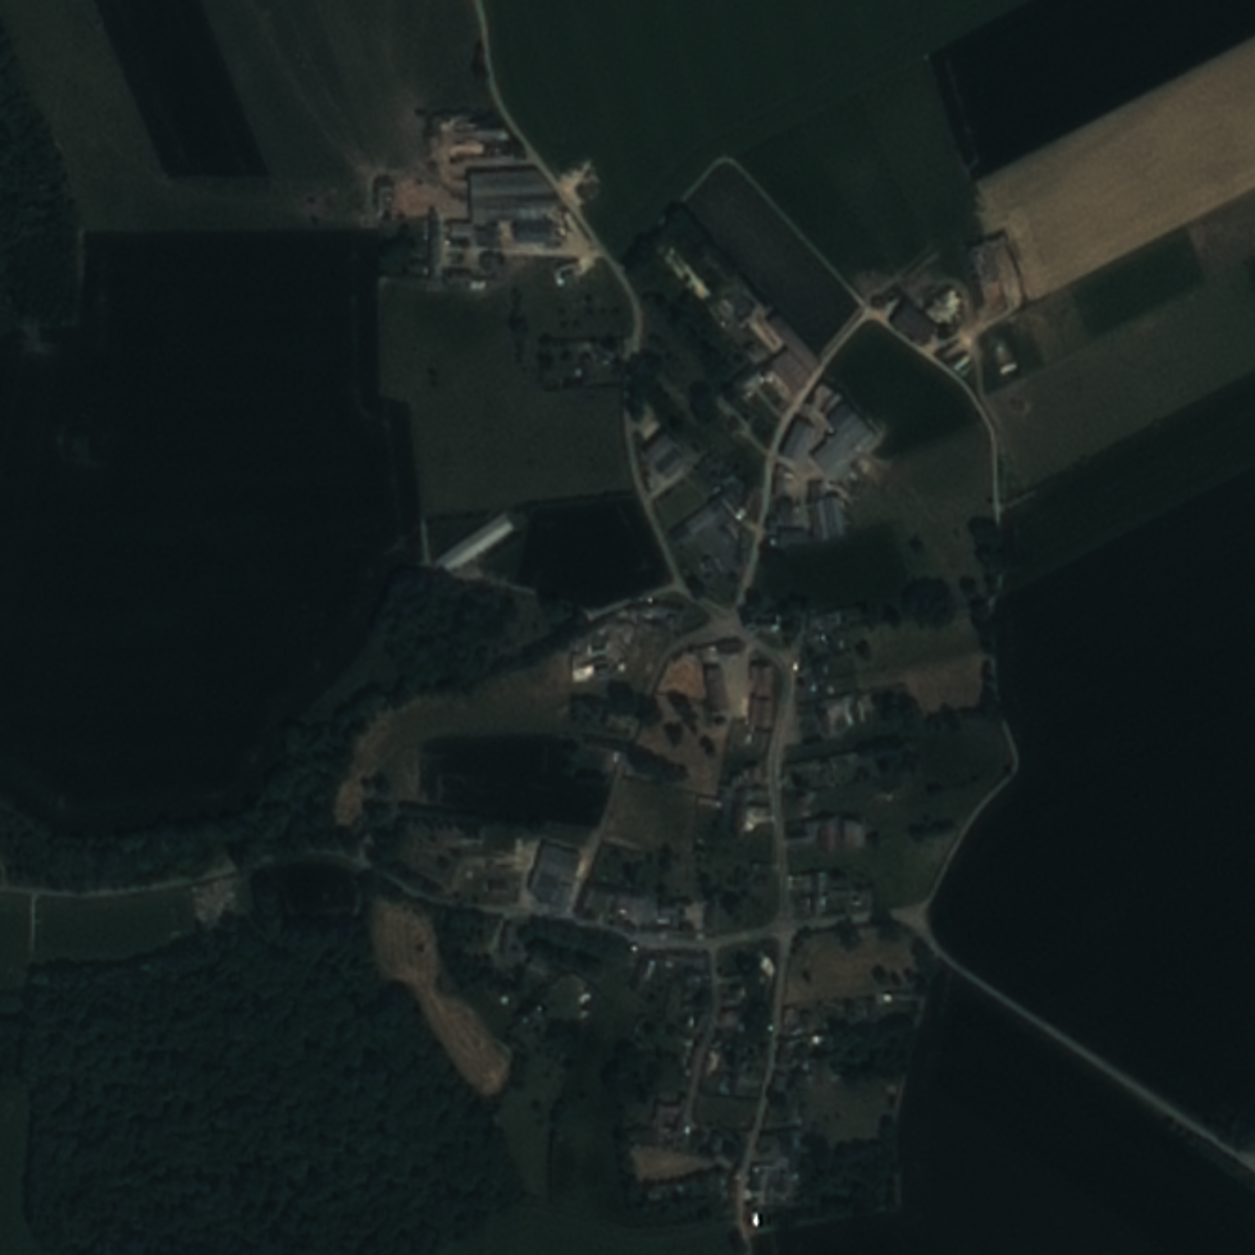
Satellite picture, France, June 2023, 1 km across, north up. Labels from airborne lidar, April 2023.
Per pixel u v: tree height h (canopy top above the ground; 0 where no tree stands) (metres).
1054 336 0
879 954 0
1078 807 0
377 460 0
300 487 0
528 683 0
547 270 0
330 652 0
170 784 0
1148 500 0
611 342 11
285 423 0
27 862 7
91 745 0
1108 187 0
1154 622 0
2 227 11
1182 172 0
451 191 0
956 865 0
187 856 17
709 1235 0
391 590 10
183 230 0
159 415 0
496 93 0
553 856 0
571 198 0
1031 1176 0
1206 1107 0
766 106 0
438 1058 17
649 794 0
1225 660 0
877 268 0
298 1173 19
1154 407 0
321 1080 25
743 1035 6
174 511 0
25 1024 16
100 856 19
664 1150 0
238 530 0
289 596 0
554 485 0
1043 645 0
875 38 0
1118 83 0
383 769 0
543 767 0
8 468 0
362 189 0
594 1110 0
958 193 0
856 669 0
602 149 0
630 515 0
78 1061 22
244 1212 28
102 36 0
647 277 0
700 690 0
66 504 0
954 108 0
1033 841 0
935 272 0
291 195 0
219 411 0
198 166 0
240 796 0
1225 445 0
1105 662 0
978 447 0
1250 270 0
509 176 0
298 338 0
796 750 0
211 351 0
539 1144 0
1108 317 0
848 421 0
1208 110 0
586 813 0
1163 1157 0
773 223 0
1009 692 0
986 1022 0
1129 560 0
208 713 0
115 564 0
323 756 16
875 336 0
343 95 0
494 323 0
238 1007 25
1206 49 0
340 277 0
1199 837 0
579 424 0
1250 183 0
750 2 0
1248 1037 0
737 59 0
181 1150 23
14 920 0
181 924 0
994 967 0
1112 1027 0
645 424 0
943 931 0
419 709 0
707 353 15
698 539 0
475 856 0
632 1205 8
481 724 0
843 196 0
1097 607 0
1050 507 0
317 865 0
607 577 0
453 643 21
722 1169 6
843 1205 11
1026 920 0
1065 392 0
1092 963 0
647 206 0
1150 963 0
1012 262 0
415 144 0
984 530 14
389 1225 24
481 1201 20
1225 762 0
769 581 0
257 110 0
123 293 0
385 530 0
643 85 0
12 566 0
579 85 0
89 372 0
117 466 0
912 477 0
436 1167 22
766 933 0
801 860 0
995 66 0
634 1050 15
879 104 0
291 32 0
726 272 0
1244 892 0
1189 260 0
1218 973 0
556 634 11
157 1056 25
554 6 0
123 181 0
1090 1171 0
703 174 0
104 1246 26
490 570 0
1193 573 0
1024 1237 0
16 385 0
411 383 0
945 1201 0
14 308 7
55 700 0
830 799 0
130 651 0
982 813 0
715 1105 0
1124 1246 0
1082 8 0
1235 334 0
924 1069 0
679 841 0
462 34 0
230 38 0
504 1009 0
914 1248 0
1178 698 0
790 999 0
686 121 0
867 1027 13
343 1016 25
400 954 0
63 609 0
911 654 0
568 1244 0
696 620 0
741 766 0
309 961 18
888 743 13
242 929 21
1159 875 0
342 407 0
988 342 0
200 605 0
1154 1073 0
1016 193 0
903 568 0
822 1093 0
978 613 12
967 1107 0
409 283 0
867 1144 8
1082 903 0
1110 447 0
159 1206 28
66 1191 15
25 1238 0
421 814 6
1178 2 0
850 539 0
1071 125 0
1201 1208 0
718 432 0
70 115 0
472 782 0
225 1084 16
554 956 15
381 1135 25
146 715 0
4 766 0
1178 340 0
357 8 0
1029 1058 0
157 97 0
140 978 18
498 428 0
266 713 0
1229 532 0
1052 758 0
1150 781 0
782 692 0
